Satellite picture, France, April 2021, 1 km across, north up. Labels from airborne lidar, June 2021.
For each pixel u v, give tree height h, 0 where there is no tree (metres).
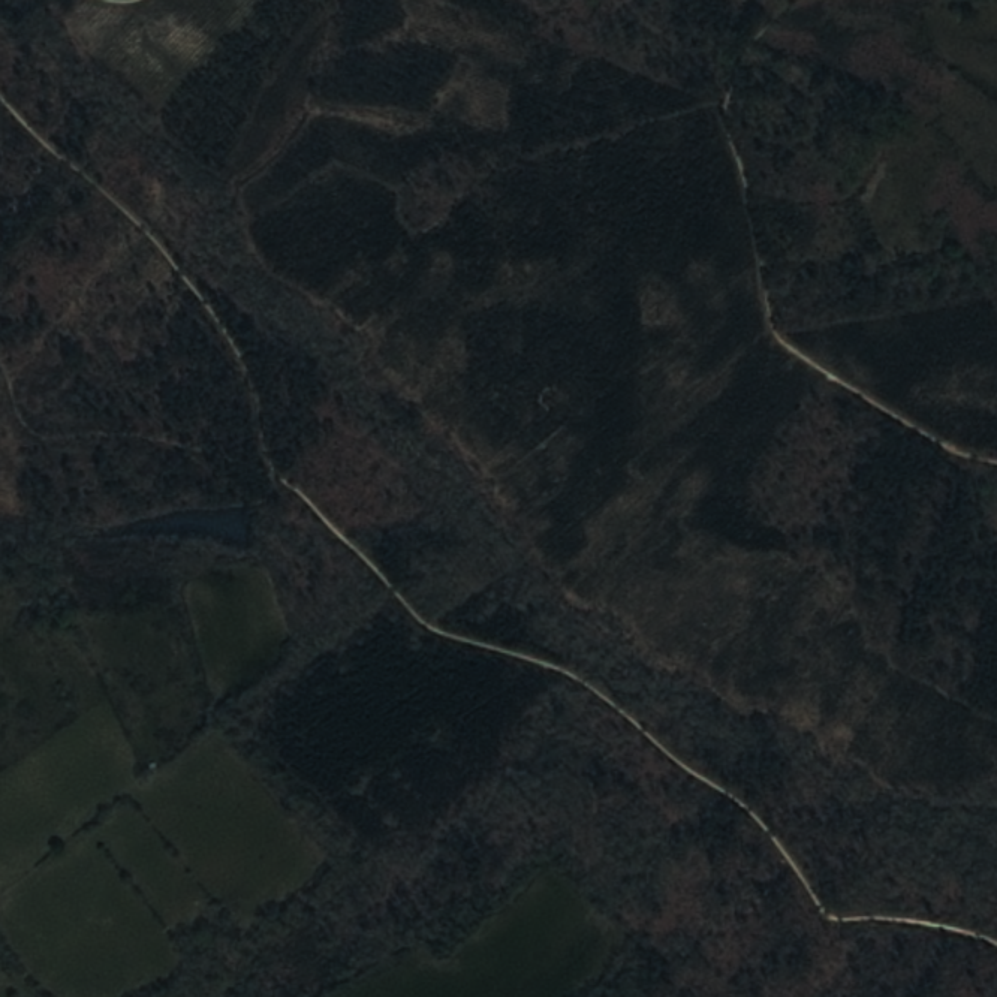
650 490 0
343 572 13
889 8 0
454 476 16
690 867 9
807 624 0
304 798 18
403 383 0
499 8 15
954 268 12
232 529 0
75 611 21
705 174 7
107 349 17
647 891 14
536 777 18
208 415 20
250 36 12
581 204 6
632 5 7
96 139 8
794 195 10
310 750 9
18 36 13
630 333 6
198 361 20
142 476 11
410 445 19
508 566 14
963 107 0
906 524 13
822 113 7
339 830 10
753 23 19
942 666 7
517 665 10
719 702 9
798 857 7
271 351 24
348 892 20
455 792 8
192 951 20
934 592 19
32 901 0
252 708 13
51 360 14
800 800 15
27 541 11
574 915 0
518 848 13
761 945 11
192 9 0
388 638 9
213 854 0
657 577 0
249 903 0
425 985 0
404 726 10
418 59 9
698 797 10
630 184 7
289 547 18
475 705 10
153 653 0
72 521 23
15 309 8
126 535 8
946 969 7
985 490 15
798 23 0
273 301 13
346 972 17
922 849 20
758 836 7
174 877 0
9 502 0
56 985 0
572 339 6
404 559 24
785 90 18
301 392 22
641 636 0
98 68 17
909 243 0
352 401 7
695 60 7
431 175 9
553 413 6
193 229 14
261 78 14
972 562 18
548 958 0
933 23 0
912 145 0
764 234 14
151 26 0
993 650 16
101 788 0
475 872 23
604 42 11
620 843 12
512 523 9
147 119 17
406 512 12
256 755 17
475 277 6
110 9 0
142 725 0
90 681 0
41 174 21
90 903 0
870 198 0
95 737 0
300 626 15
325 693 9
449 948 19
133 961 0
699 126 6
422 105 6
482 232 6
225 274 17
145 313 8
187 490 11
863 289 20
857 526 9
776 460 11
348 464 7
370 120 0
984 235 0
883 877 8
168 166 14
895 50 0
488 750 11
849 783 15
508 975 0
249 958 25
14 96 12
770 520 15
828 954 8
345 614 14
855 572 15
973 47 0
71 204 10
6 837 0
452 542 22
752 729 17
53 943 0
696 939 15
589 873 13
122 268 0
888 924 7
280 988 16
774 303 8
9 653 0
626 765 6
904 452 15
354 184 6
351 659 10
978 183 0
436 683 10
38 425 11
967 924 7
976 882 17
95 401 13
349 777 7
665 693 17
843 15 0
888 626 6
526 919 0
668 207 8
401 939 14
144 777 17
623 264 6
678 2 16
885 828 16
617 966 12
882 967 9
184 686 0
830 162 11
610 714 12
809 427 13
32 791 0
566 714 26
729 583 0
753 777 22
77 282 11
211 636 0
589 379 7
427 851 26
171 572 12
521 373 7
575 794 12
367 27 12
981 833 9
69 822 0
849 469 9
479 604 9
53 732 0
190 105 10
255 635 0
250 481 18
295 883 0
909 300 17
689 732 17
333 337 15
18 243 25
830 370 0
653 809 11
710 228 8
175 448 6
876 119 15
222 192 12
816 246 0
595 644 11
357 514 8
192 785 0
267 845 0
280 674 13
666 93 7
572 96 6
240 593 0
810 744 11
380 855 17
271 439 21
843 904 30
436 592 18
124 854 0
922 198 0
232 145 13
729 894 19
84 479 11
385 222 7
